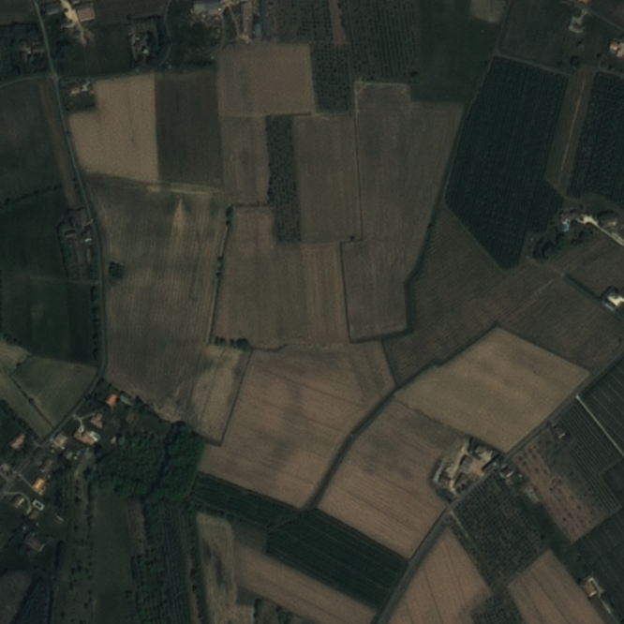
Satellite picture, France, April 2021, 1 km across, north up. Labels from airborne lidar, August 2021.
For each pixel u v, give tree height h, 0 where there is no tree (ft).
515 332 0
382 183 0
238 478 0
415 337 0
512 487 21
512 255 18
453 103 0
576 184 18
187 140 0
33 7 0
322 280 0
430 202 0
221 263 34
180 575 0
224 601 0
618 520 21
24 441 29
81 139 0
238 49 0
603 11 0
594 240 0
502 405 0
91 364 0
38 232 0
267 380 0
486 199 19
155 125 0
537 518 0
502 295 0
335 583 22
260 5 0
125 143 0
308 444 0
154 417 39
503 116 19
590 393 20
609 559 19
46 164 0
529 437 0
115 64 0
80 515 0
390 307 0
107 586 0
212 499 20
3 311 19
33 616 44
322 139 0
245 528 0
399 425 0
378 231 0
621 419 17
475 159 18
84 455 0
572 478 22
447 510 0
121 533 0
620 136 18
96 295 34
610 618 0
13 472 40
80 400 0
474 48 0
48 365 0
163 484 69
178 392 0
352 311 0
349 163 0
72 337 0
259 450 0
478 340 0
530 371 0
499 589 0
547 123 21
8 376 0
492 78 20
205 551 0
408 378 0
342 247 0
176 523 0
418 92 0
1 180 0
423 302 0
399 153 0
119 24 0
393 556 20
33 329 0
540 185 20
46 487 0
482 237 18
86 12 0
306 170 0
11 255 0
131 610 18
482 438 0
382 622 0
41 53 23
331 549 19
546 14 0
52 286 0
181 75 0
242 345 48
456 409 0
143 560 34
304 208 0
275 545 20
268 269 0
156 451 29
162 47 40
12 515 0
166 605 26
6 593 48
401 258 0
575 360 0
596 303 0
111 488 37
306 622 0
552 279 0
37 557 37
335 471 0
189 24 0
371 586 26
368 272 0
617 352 0
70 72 36
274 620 0
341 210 0
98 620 0
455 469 0
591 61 0
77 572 37
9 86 0
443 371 0
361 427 0
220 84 0
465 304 0
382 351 0
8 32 35
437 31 0
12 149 0
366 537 20
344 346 0
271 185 30
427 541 0
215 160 0
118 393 24
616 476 18
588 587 0
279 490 0
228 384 0
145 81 0
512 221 20
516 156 19
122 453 22
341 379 0
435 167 0
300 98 0
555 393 0
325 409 0
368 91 0
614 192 21
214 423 0
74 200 0
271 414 0
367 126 0
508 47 0
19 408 0
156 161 0
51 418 0
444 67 0
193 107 0
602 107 20
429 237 0
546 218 20
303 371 0
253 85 0
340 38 0
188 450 77
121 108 0
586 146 19
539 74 21
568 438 28
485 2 0
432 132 0
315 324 0
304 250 0
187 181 0
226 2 0
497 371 0
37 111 0
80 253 0
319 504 0
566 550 0
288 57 0
